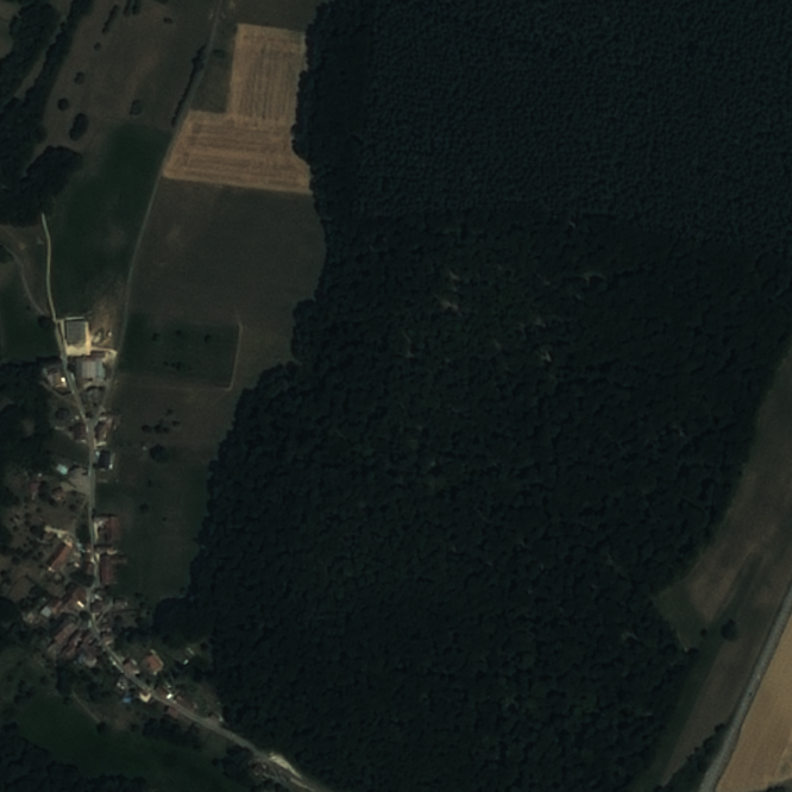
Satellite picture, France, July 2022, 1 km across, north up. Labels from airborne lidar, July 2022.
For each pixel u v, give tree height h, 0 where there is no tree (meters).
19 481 0
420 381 22
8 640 15
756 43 36
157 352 0
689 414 29
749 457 13
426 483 26
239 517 31
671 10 31
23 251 0
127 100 0
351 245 28
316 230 0
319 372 26
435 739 29
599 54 30
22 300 0
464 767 29
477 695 26
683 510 28
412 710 26
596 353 28
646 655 32
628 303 31
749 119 34
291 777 0
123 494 0
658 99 27
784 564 0
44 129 13
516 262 23
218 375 0
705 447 30
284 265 0
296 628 28
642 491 28
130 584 0
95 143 0
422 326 21
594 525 35
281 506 25
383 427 25
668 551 29
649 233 28
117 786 23
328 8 18
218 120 0
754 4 32
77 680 9
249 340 0
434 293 27
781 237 26
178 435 0
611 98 32
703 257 30
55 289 0
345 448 7
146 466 0
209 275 0
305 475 25
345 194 28
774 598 0
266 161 0
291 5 0
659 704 23
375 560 24
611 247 30
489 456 26
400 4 28
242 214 0
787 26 31
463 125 30
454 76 26
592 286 15
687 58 29
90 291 0
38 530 8
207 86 0
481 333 24
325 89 34
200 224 0
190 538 0
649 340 30
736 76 34
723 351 31
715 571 0
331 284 19
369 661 26
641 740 28
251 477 26
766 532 0
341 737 30
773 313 30
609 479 30
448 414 23
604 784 26
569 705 32
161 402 0
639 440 30
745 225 30
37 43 14
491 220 26
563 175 29
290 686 20
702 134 35
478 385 23
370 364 21
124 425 0
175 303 0
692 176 32
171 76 0
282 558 29
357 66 33
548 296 27
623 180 30
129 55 0
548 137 31
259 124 0
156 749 0
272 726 32
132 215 0
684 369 35
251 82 0
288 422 25
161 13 0
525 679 32
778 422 0
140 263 0
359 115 30
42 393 7
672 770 0
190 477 0
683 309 26
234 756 25
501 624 27
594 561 33
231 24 0
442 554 27
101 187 0
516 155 30
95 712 0
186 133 0
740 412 25
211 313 0
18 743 27
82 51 0
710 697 0
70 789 19
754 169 31
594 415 27
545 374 29
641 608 32
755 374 29
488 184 32
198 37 0
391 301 28
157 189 0
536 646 9
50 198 15
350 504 27
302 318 22
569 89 29
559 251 27
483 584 28
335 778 24
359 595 18
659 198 33
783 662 0
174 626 33
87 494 0
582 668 30
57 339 0
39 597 7
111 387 0
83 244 0
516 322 26
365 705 30
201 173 0
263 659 31
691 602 0
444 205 27
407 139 25
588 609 31
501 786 31
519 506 22
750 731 0
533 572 33
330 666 28
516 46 31
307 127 27
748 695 0
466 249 25
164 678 7
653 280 31
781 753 0
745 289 33
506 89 28
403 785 30
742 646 0
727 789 0
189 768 0
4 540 18
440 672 27
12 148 19
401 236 29
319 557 26
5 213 19
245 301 0
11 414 17
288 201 0
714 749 10
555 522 28
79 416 0
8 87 14
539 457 28
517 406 24
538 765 32
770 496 0
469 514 26
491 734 32
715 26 34
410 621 25
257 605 28
